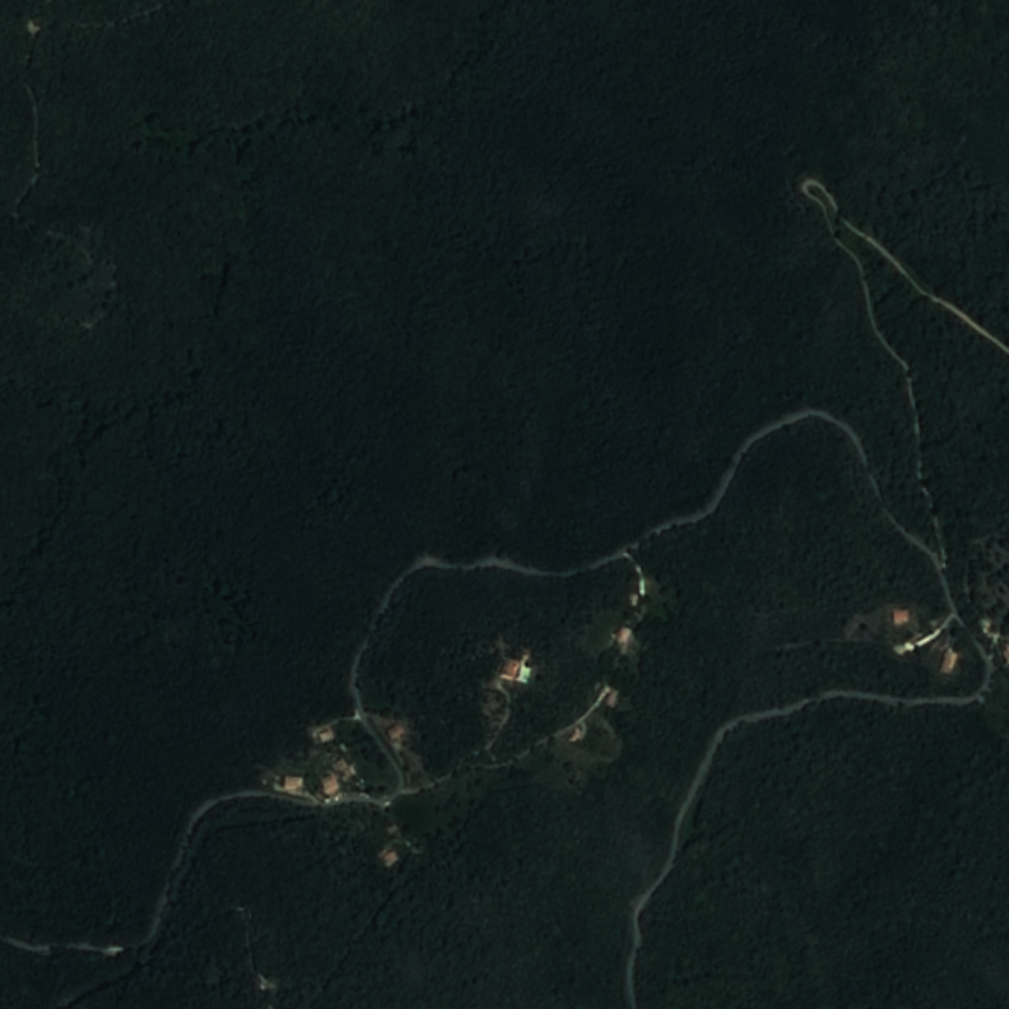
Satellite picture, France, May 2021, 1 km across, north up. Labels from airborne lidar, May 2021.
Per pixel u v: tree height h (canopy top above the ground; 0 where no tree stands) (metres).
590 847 8
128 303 9
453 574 8
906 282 13
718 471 7
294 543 9
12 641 17
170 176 15
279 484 13
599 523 8
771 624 6
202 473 12
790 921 14
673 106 24
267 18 8
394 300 14
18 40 13
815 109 9
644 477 10
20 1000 15
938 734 11
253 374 15
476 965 9
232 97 15
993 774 12
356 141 21
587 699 8
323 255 7
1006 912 8
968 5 13
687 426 10
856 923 13
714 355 9
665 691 10
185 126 16
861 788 10
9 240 14
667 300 14
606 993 9
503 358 17
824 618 7
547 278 11
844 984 9
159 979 16
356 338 11
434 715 9
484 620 8
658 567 7
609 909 10
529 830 7
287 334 9
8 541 17
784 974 11
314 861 11
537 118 15
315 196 11
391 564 8
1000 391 13
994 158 6
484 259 16
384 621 12
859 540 10
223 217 19
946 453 21
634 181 10
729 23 12
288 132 13
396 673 10
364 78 7
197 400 18
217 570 19
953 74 14
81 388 14
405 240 17
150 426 16
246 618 14
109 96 10
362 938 8
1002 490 11
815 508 13
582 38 12
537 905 7
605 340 14
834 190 9
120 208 11
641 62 16
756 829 14
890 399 10
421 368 9
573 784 10
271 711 9
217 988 8
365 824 6
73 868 13
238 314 18
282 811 7
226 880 11
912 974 10
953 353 11
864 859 16
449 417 12
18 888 7
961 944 7
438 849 7
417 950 6
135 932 18
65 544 10
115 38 9
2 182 10
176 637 14
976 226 14
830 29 14
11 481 15
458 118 16
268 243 16
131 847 14
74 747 14
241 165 20
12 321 10
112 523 11
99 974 15
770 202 12
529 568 8
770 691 6
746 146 13
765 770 16
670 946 8
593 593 14
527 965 7
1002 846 7
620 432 10
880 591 6
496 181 9
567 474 13
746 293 11
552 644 10
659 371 14
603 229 11
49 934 16
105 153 16
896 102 13
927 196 21
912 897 9
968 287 17
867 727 8
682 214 13
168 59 11
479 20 19
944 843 12
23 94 13
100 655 7
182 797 8
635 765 6
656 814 10
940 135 9
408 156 26
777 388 8
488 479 15
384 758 9
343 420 11
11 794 12
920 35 12
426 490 10
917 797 11
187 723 13
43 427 12
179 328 17
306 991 17
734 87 10
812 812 12
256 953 9
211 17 9
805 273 9
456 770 8
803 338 14
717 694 13
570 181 10
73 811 18
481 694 6
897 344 12
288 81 17
